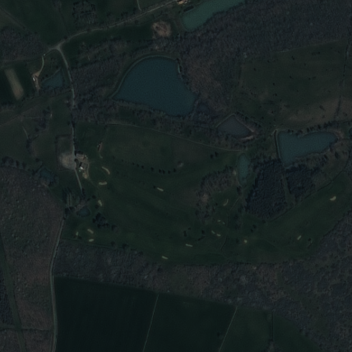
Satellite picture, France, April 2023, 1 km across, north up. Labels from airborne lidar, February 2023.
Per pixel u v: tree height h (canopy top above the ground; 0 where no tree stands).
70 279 0
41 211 10
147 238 0
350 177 9
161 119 10
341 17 17
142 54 14
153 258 0
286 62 0
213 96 21
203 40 8
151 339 0
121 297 0
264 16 23
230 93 17
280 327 0
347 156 13
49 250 10
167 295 0
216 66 13
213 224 0
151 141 0
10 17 0
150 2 0
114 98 0
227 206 0
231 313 0
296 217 0
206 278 8
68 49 0
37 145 0
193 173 0
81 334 0
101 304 0
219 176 17
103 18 0
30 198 9
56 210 11
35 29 0
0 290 13
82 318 0
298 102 0
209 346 0
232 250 0
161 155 0
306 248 0
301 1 20
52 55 0
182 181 0
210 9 0
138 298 0
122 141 0
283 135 0
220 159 0
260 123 11
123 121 9
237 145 15
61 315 0
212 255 0
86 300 0
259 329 0
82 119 13
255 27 17
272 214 13
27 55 15
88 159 0
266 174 18
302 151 0
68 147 0
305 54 0
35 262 13
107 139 0
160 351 0
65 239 0
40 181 20
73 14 7
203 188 17
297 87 0
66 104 0
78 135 0
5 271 0
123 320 0
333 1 11
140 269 9
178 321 0
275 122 0
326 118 0
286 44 17
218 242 0
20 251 9
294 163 9
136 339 0
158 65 0
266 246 0
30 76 6
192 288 0
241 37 17
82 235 0
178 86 0
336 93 0
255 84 0
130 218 0
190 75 11
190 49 18
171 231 0
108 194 0
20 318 7
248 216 0
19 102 0
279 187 17
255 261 0
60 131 0
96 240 0
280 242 0
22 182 14
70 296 0
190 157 0
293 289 0
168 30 0
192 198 0
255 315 0
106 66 18
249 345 0
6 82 0
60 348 0
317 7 19
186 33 9
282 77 0
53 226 12
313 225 0
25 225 6
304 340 0
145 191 0
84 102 13
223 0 0
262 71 0
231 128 0
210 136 9
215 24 17
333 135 0
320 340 6
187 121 6
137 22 16
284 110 0
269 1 16
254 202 18
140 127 0
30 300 6
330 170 0
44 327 10
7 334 11
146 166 0
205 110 0
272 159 8
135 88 0
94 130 0
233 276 9
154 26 0
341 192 0
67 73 0
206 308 0
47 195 13
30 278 11
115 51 23
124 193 0
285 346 0
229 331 0
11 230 6
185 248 0
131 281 9
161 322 0
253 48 18
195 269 8
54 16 0
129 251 14
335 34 17
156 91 0
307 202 0
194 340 0
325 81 0
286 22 17
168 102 0
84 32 0
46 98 0
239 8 13
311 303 0
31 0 0
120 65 19
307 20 16
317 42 16
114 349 0
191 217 0
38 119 0
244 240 0
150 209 0
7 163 17
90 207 0
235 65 16
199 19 0
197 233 0
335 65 0
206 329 0
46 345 11
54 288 0
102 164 0
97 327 0
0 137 0
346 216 8
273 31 17
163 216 0
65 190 0
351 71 0
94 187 0
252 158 13
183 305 0
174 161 0
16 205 7
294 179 17
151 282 10
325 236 7
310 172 19
